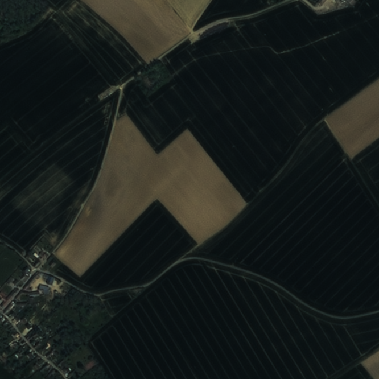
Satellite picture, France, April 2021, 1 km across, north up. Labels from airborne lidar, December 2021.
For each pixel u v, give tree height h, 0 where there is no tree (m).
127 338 0
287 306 0
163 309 0
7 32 26
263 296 0
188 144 0
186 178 0
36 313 16
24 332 0
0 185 0
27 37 0
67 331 13
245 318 0
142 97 0
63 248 0
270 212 0
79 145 0
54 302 6
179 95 0
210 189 0
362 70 0
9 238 0
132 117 0
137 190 0
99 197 0
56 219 0
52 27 0
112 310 0
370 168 0
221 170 0
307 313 0
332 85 0
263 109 0
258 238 0
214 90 0
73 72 0
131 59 0
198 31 0
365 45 0
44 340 6
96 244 0
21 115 0
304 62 0
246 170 0
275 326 0
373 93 0
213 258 0
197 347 0
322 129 0
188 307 0
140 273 0
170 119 0
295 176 0
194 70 0
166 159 0
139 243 0
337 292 0
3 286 0
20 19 27
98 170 0
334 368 0
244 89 0
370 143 0
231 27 0
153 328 0
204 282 0
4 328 6
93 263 0
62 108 0
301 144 0
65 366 13
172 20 0
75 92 0
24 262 0
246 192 0
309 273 0
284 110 0
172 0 0
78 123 0
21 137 0
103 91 0
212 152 0
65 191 0
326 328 0
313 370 0
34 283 0
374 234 0
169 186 0
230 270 0
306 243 0
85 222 0
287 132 0
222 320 0
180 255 0
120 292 0
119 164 0
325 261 0
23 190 0
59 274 0
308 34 0
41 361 8
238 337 0
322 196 0
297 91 0
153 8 0
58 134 0
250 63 0
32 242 0
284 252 0
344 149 0
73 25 0
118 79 0
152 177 0
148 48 0
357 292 0
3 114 0
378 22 0
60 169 0
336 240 0
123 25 0
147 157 0
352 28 0
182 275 0
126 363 0
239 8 0
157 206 0
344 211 0
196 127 0
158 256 0
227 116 0
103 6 0
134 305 0
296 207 0
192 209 0
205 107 0
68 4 0
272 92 0
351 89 0
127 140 0
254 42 0
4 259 0
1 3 27
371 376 0
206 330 0
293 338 0
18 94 0
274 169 0
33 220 0
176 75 0
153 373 0
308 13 0
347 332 0
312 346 0
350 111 0
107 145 0
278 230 0
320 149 0
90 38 0
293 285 0
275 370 0
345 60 0
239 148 0
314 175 0
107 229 0
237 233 0
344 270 0
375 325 0
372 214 0
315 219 0
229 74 0
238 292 0
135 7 0
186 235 0
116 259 0
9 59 0
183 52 0
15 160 0
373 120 0
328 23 0
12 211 0
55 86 0
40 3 26
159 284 0
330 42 0
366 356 0
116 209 0
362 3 0
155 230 0
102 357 0
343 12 0
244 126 0
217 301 0
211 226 0
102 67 0
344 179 0
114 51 0
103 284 0
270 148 0
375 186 0
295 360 0
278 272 0
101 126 0
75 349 18
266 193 0
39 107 0
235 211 0
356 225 0
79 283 0
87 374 7
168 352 0
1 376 0
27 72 0
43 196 0
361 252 0
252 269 0
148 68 8
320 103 0
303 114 0
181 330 0
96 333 0
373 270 0
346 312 0
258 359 0
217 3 0
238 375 0
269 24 0
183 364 0
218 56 0
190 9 0
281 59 0
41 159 0
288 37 0
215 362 0
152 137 0
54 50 0
